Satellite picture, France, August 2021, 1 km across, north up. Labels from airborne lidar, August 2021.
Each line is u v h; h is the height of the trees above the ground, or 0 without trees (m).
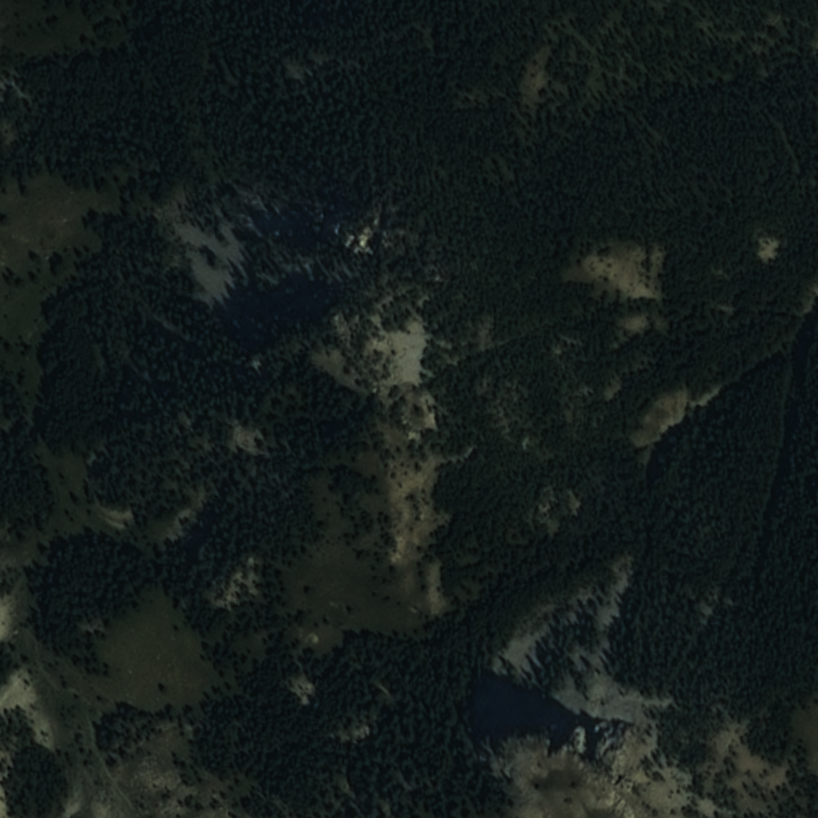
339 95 16
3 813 0
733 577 11
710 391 9
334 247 8
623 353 14
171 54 22
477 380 16
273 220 0
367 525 8
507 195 17
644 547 12
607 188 17
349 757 10
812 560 19
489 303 9
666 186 25
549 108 20
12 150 8
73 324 23
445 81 14
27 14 0
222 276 0
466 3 12
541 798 0
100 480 24
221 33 22
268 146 15
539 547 16
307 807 8
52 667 7
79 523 0
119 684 0
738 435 19
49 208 0
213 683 0
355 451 12
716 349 15
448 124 23
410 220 13
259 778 12
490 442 11
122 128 17
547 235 19
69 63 12
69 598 23
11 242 0
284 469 6
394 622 0
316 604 0
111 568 22
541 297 12
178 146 19
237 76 13
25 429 19
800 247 16
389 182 9
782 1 26
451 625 8
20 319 0
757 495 17
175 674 0
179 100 12
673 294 18
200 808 7
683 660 17
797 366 7
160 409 13
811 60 16
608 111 12
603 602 9
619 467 15
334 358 0
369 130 16
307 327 12
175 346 24
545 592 19
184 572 10
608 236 16
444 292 8
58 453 24
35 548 0
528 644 0
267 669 11
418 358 0
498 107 16
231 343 12
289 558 16
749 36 25
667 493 16
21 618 0
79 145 7
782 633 17
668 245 10
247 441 0
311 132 21
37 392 0
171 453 15
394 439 0
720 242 21
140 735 7
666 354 21
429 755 9
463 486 12
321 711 10
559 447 18
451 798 14
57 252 0
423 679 22
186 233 0
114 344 12
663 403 0
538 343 10
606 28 25
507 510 11
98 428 19
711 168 28
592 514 16
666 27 29
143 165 22
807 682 11
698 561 11
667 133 22
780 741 10
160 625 0
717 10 24
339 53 9
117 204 0
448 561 14
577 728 0
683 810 7
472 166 20
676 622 9
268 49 21
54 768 11
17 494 14
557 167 20
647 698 12
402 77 17
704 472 11
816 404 19
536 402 12
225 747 10
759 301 20
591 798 0
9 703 0
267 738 10
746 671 16
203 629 13
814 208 23
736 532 15
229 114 18
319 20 16
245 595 10
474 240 11
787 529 19
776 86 23
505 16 19
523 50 11
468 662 13
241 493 21
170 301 11
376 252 11
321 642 0
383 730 14
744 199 18
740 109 25
